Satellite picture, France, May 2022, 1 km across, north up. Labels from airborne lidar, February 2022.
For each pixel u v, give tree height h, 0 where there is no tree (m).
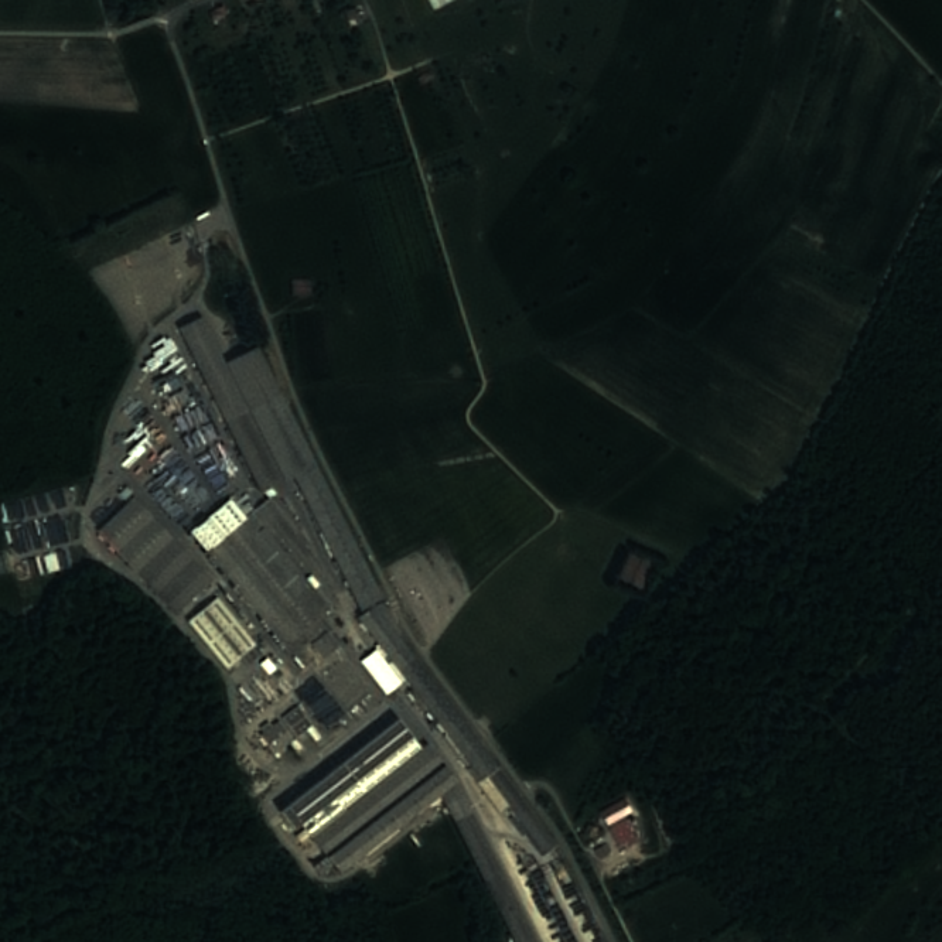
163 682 29
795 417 0
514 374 0
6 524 0
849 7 0
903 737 22
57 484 0
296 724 0
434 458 0
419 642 0
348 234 0
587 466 0
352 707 0
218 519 0
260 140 0
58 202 0
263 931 23
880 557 20
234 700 0
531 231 0
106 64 0
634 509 0
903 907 0
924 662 27
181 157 0
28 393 10
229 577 0
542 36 0
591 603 0
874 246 0
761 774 23
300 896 24
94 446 11
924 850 22
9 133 0
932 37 0
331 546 0
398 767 0
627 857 0
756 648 24
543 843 0
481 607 0
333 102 0
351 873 0
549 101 0
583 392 0
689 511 0
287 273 0
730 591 26
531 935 0
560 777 0
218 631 0
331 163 6
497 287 0
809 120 0
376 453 0
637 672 28
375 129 0
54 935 16
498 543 0
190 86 0
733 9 0
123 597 26
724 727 19
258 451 0
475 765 0
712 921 0
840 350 0
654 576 11
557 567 0
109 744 29
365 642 0
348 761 0
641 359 0
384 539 0
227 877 20
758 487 0
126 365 8
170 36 0
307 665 0
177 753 11
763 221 0
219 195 0
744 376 0
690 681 24
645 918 0
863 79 0
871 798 23
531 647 0
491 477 0
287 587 0
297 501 0
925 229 10
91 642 26
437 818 0
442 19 0
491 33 0
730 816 23
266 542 0
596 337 0
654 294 0
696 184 0
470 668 0
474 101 0
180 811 18
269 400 0
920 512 14
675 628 17
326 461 0
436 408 0
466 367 0
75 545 0
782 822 24
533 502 0
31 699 27
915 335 13
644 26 0
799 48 0
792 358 0
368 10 0
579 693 0
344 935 25
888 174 0
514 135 0
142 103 0
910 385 16
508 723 0
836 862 23
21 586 0
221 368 0
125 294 0
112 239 0
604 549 0
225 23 0
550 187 0
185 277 0
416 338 0
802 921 22
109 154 0
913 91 0
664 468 0
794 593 23
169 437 0
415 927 0
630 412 0
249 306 23
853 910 21
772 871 23
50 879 26
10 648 23
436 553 0
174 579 0
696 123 0
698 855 23
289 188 0
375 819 0
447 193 0
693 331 0
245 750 0
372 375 0
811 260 0
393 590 0
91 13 0
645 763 22
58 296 10
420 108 0
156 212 0
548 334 0
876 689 25
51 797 27
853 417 14
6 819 22
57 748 23
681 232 0
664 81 0
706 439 0
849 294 0
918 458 16
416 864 0
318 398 0
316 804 0
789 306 0
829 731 23
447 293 0
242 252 0
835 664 23
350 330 0
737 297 0
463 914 0
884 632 22
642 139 0
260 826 18
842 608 26
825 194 0
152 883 26
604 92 0
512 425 0
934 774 24
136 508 0
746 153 0
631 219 0
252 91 7
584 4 0
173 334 0
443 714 0
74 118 0
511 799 0
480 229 0
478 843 0
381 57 0
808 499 25
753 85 0
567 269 0
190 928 15
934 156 0
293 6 0
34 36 0
